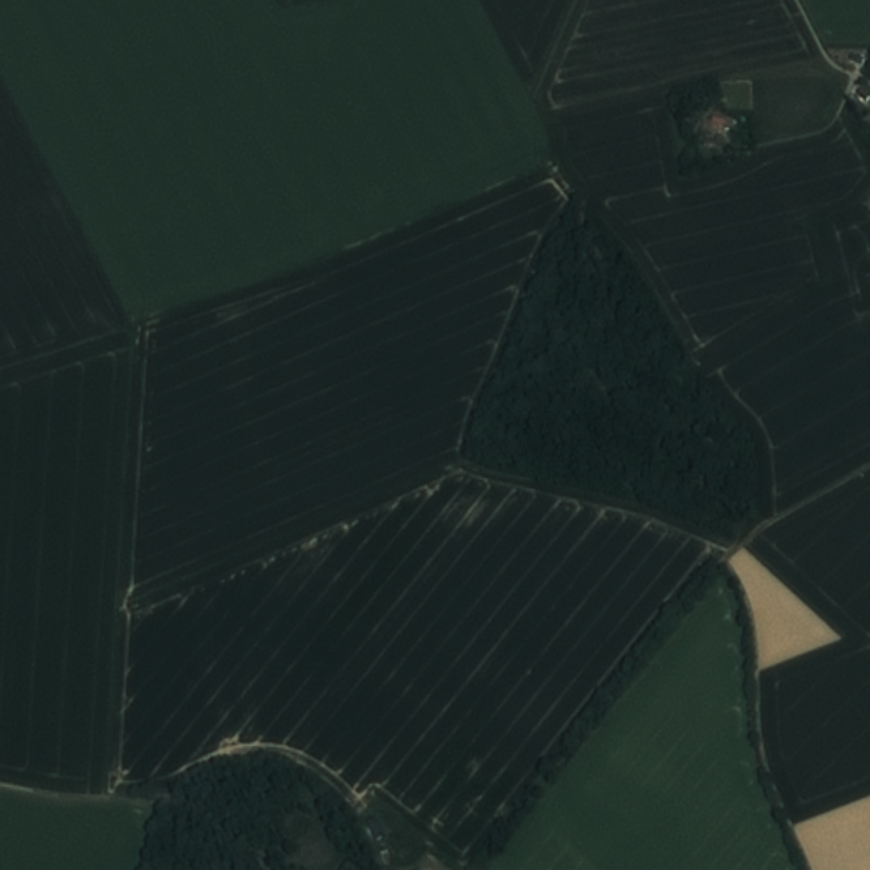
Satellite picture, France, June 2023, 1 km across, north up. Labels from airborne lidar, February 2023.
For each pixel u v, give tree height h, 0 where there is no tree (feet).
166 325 0
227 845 95
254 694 0
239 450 0
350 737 0
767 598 0
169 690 0
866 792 0
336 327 0
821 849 0
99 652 0
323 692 0
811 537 0
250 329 0
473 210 0
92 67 0
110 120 0
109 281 0
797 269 0
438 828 0
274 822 91
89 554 0
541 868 0
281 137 0
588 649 0
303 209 0
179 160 0
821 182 0
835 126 0
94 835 0
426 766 0
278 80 0
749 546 0
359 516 0
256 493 0
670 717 0
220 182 0
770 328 0
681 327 0
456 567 0
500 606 0
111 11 0
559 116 0
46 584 0
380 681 0
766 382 0
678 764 0
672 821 0
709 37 0
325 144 0
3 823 0
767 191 0
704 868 0
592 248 76
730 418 43
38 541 0
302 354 0
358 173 0
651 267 0
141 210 0
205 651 0
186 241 0
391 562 0
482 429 64
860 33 0
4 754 0
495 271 0
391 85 0
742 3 0
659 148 0
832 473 0
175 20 0
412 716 0
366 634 0
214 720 0
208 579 0
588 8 0
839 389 0
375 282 0
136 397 0
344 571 0
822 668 0
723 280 0
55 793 0
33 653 0
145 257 0
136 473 0
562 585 0
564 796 0
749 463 51
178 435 0
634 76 0
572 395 54
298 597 0
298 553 0
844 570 0
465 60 0
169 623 0
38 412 0
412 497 0
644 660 63
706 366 0
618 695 49
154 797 61
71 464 0
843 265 0
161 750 0
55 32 0
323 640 0
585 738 50
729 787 0
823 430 0
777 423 0
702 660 0
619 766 0
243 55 0
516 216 0
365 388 0
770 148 0
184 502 0
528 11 0
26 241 0
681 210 0
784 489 0
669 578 0
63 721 0
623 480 51
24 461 0
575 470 54
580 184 0
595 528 0
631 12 0
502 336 0
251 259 0
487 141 0
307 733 0
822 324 0
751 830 0
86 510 0
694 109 22
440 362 0
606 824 0
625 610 0
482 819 0
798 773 0
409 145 0
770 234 0
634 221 0
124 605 0
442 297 0
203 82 0
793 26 0
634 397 67
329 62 0
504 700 0
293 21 0
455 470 0
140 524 0
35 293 0
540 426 57
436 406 0
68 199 0
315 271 0
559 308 57
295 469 0
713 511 53
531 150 0
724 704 0
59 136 0
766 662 0
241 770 71
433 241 0
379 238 0
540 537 0
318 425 0
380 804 0
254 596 0
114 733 0
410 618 0
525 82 0
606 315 82
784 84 0
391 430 0
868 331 0
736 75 0
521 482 0
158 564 0
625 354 65
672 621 55
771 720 0
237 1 0
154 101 0
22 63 0
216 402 0
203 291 0
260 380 0
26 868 0
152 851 55
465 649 0
